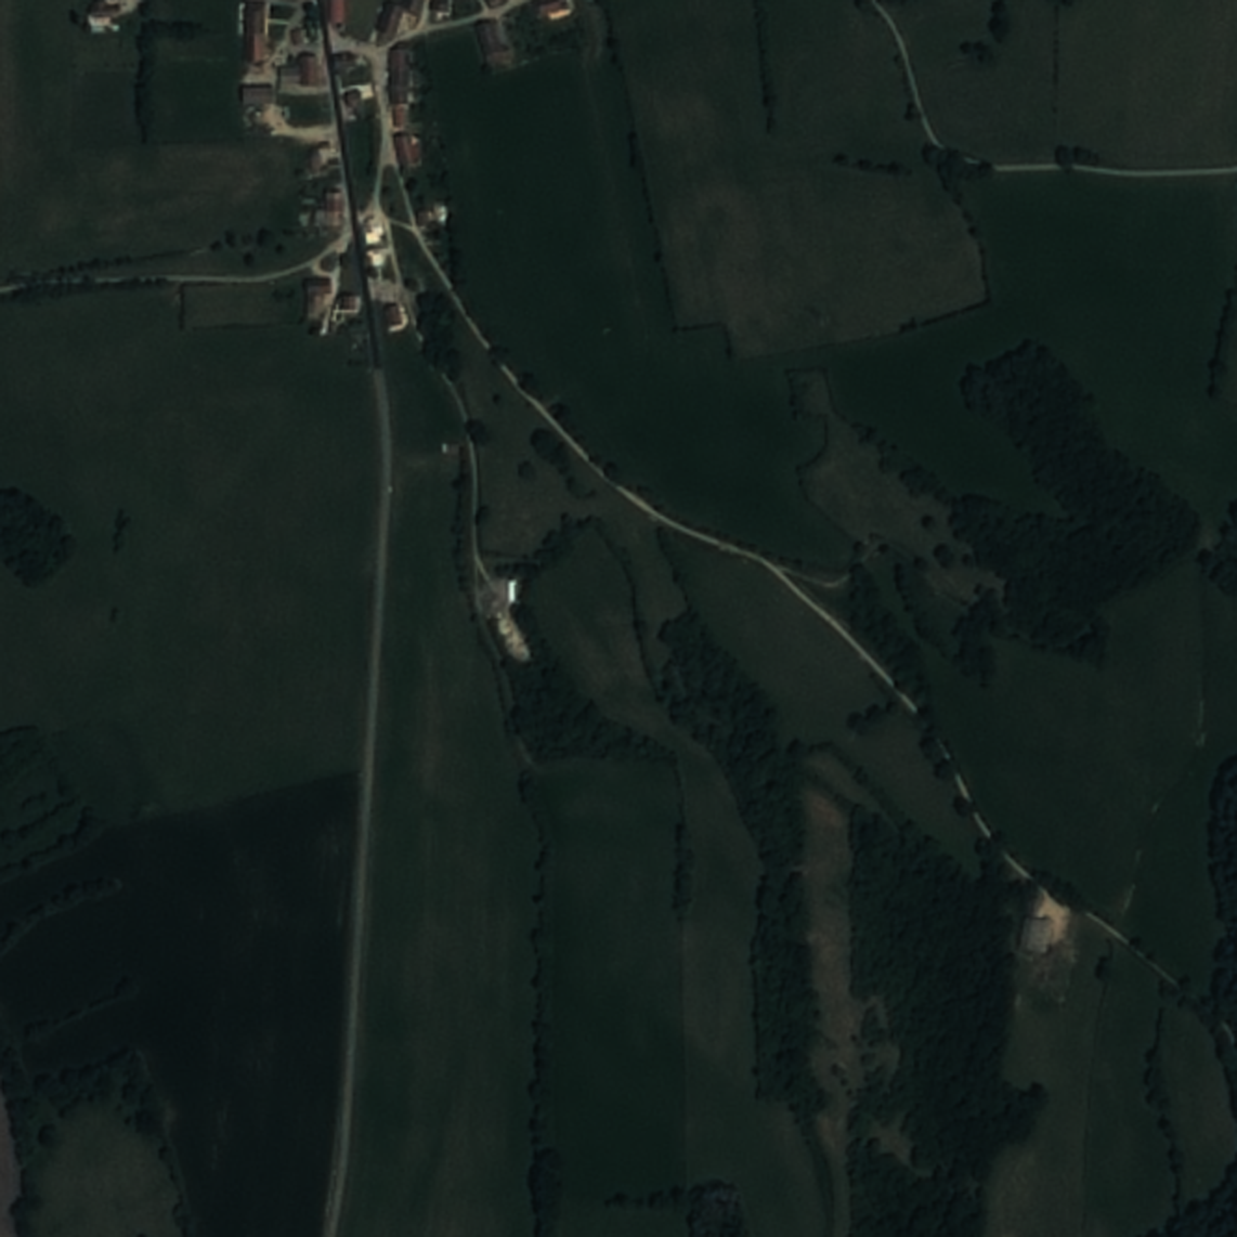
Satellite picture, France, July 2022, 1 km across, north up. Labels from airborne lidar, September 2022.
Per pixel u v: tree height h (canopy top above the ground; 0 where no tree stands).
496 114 0
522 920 0
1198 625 0
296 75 0
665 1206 16
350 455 0
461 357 17
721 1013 0
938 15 0
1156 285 0
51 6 0
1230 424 0
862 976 12
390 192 9
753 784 17
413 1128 0
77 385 0
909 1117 7
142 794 0
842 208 0
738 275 0
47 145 0
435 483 0
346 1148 0
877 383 0
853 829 7
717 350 0
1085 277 0
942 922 17
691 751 0
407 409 0
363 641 0
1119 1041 0
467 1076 0
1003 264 0
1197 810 0
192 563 0
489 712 0
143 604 0
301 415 0
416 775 0
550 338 0
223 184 0
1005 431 8
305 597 0
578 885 0
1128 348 0
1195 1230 19
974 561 14
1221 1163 0
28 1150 11
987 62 19
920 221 0
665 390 0
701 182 0
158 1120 16
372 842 0
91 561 0
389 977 0
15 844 11
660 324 0
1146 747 0
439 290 5
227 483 0
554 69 0
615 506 0
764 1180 0
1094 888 0
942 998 10
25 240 0
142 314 0
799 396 7
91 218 0
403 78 0
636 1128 0
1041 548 16
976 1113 21
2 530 10
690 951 0
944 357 0
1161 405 0
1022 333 0
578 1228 0
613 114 0
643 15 0
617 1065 0
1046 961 0
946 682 0
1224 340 12
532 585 10
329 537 0
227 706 0
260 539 0
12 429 0
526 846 0
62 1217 0
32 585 16
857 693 0
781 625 0
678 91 0
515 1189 0
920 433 0
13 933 13
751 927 0
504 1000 0
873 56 0
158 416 0
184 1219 8
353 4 0
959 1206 17
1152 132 0
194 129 0
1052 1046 0
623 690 0
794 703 0
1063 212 0
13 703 0
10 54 0
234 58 0
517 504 0
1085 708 0
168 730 0
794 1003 12
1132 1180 0
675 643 8
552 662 6
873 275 0
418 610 0
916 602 8
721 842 0
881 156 0
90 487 0
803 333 0
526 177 0
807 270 0
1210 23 0
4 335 0
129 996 15
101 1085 14
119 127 0
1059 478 14
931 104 0
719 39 0
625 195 0
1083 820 0
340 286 0
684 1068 0
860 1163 11
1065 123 0
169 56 0
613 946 0
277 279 0
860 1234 6
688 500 0
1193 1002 14
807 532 0
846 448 0
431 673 0
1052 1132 0
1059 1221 0
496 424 0
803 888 7
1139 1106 0
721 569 0
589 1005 0
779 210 0
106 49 0
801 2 0
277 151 0
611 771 0
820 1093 6
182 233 0
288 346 0
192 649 0
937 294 0
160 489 0
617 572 0
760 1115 0
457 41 0
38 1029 13
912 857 14
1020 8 0
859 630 7
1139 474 9
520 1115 0
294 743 0
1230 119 0
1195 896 0
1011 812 0
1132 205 0
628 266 0
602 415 0
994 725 0
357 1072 0
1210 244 0
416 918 0
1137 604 0
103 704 0
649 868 0
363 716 0
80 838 13
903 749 0
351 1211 0
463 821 0
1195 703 0
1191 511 15
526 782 10
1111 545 12
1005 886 13
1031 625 11
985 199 0
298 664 0
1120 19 0
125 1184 0
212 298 0
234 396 0
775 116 7
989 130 0
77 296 16
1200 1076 0
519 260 0
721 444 0
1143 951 16
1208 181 0
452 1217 0
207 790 0
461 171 0
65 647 0
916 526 0
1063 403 19
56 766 7
